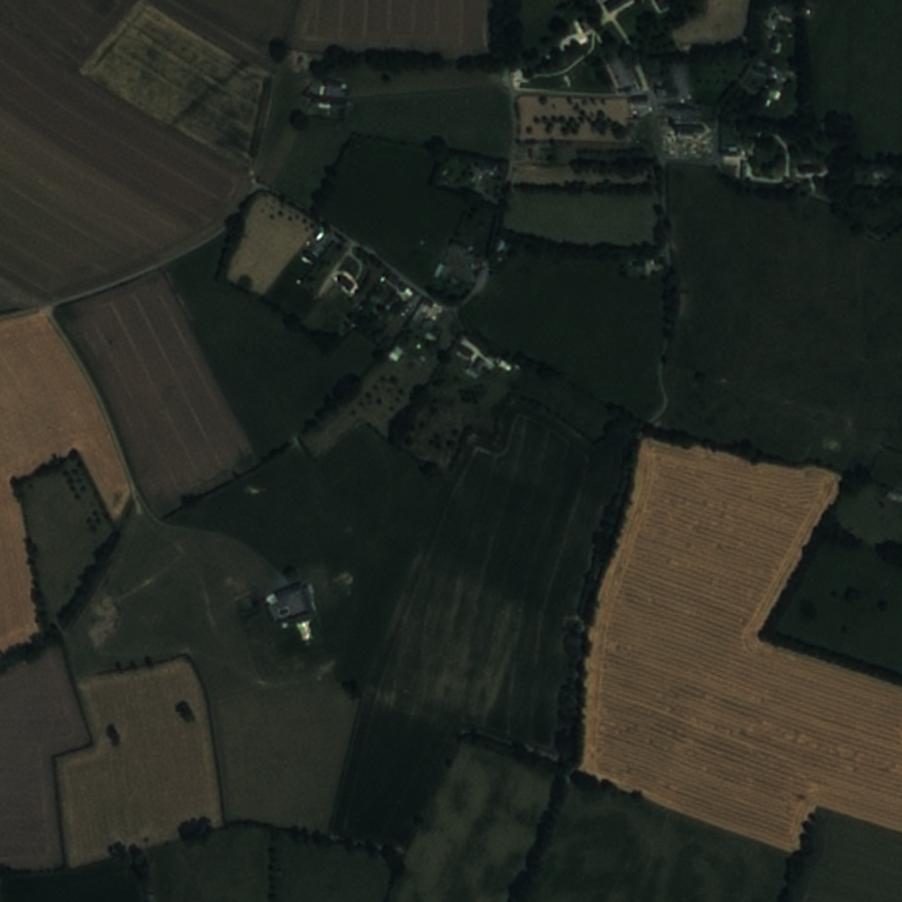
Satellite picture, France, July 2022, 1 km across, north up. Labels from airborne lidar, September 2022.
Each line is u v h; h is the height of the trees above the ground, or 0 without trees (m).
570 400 0
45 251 0
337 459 0
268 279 0
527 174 0
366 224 0
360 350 0
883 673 10
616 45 22
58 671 0
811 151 21
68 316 0
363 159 0
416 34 0
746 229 0
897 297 0
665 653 0
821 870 0
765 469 0
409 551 0
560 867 0
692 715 0
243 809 0
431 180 7
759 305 0
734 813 0
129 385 0
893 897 0
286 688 0
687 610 0
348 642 0
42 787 0
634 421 16
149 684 0
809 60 20
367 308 10
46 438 0
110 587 0
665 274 5
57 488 0
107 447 0
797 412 0
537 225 0
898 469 0
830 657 10
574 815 0
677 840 0
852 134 21
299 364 0
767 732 0
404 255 0
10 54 0
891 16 0
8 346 0
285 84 0
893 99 0
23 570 0
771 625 13
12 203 0
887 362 0
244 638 0
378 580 0
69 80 0
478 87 0
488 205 8
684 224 0
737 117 9
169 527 0
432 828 0
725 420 0
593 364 0
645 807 0
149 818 0
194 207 0
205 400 0
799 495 0
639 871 0
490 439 7
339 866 0
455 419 0
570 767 15
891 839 0
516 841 0
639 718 0
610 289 0
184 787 0
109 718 0
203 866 0
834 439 0
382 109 0
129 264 0
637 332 0
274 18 0
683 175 0
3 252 0
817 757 0
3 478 0
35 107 0
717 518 0
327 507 0
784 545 0
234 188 0
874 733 0
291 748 0
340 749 0
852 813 0
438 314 0
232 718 0
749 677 0
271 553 0
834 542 13
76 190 0
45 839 0
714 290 0
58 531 0
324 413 9
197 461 0
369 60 16
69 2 0
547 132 6
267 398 0
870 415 0
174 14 0
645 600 0
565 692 13
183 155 0
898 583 0
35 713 0
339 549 0
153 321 0
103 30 0
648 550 0
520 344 0
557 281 0
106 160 0
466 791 0
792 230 0
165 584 0
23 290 0
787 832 0
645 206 0
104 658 0
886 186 7
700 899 0
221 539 0
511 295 0
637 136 0
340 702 0
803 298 0
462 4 0
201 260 0
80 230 0
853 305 0
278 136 0
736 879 0
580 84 0
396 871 13
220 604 0
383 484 0
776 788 0
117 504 0
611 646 0
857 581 0
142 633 0
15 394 0
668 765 0
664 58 9
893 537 0
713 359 0
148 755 0
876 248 0
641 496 0
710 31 0
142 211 0
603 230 0
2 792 0
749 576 0
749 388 0
